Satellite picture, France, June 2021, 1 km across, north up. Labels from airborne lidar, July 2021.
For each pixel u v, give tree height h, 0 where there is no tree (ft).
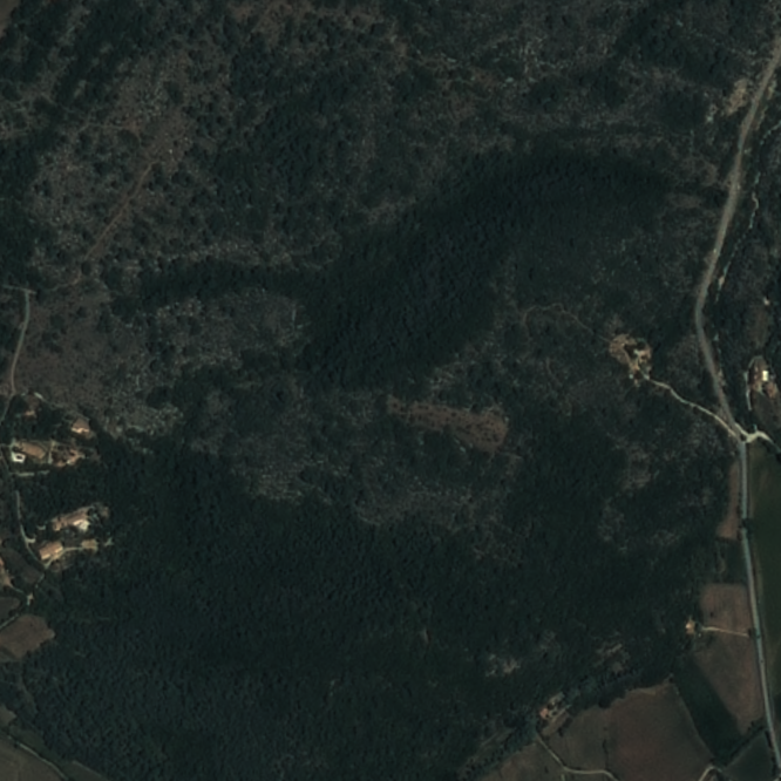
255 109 22
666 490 21
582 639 35
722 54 40
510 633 23
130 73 21
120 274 23
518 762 0
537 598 20
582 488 42
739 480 0
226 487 29
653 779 0
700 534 28
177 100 18
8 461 20
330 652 22
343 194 18
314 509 26
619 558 21
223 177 33
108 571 31
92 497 23
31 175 17
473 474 17
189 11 42
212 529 23
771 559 0
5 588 26
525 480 43
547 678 24
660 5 29
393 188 38
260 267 46
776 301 31
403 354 43
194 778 47
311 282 19
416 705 19
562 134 29
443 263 30
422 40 18
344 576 24
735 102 0
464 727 20
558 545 20
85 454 23
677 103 31
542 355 42
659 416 18
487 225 54
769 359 23
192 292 33
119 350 26
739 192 0
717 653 0
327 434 40
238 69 47
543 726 30
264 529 31
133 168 0
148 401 21
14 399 26
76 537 20
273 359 18
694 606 21
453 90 20
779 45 0
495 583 26
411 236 20
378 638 21
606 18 28
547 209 27
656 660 18
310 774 34
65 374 0
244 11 0
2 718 0
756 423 25
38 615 31
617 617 25
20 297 19
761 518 0
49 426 25
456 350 33
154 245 0
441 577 25
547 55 36
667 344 26
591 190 30
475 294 30
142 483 49
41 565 29
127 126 0
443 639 18
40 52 22
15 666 33
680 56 45
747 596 0
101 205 20
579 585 27
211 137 32
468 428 19
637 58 27
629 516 18
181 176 39
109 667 29
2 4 0
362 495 48
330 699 45
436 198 20
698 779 0
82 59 30
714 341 25
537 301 31
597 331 32
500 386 46
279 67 21
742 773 0
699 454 19
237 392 28
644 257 23
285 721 30
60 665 35
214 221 29
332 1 20
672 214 20
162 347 52
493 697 27
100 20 32
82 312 31
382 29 52
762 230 35
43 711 41
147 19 45
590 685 84
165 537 22
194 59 42
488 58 21
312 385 22
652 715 0
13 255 18
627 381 21
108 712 39
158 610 32
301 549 35
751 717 0
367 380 43
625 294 18
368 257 63
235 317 33
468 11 24
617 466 26
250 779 43
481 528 34
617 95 46
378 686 21
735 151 30
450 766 29
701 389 37
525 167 37
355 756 32
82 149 27
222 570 34
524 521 22
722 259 26
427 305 40
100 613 29
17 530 47
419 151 40
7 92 24
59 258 31
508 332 24
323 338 22
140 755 28
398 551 23
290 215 37
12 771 0
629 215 18
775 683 0
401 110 28
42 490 26
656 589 19
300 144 50
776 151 0
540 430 20
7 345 19
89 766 22
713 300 25
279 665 23
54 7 23
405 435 18
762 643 0
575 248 33
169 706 34
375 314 50
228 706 37
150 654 23
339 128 37
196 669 29
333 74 22
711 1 71
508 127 44
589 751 0
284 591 28
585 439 31
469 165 37
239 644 28
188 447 19
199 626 37
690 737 0
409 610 25
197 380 20
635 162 19
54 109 22
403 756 29
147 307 27
